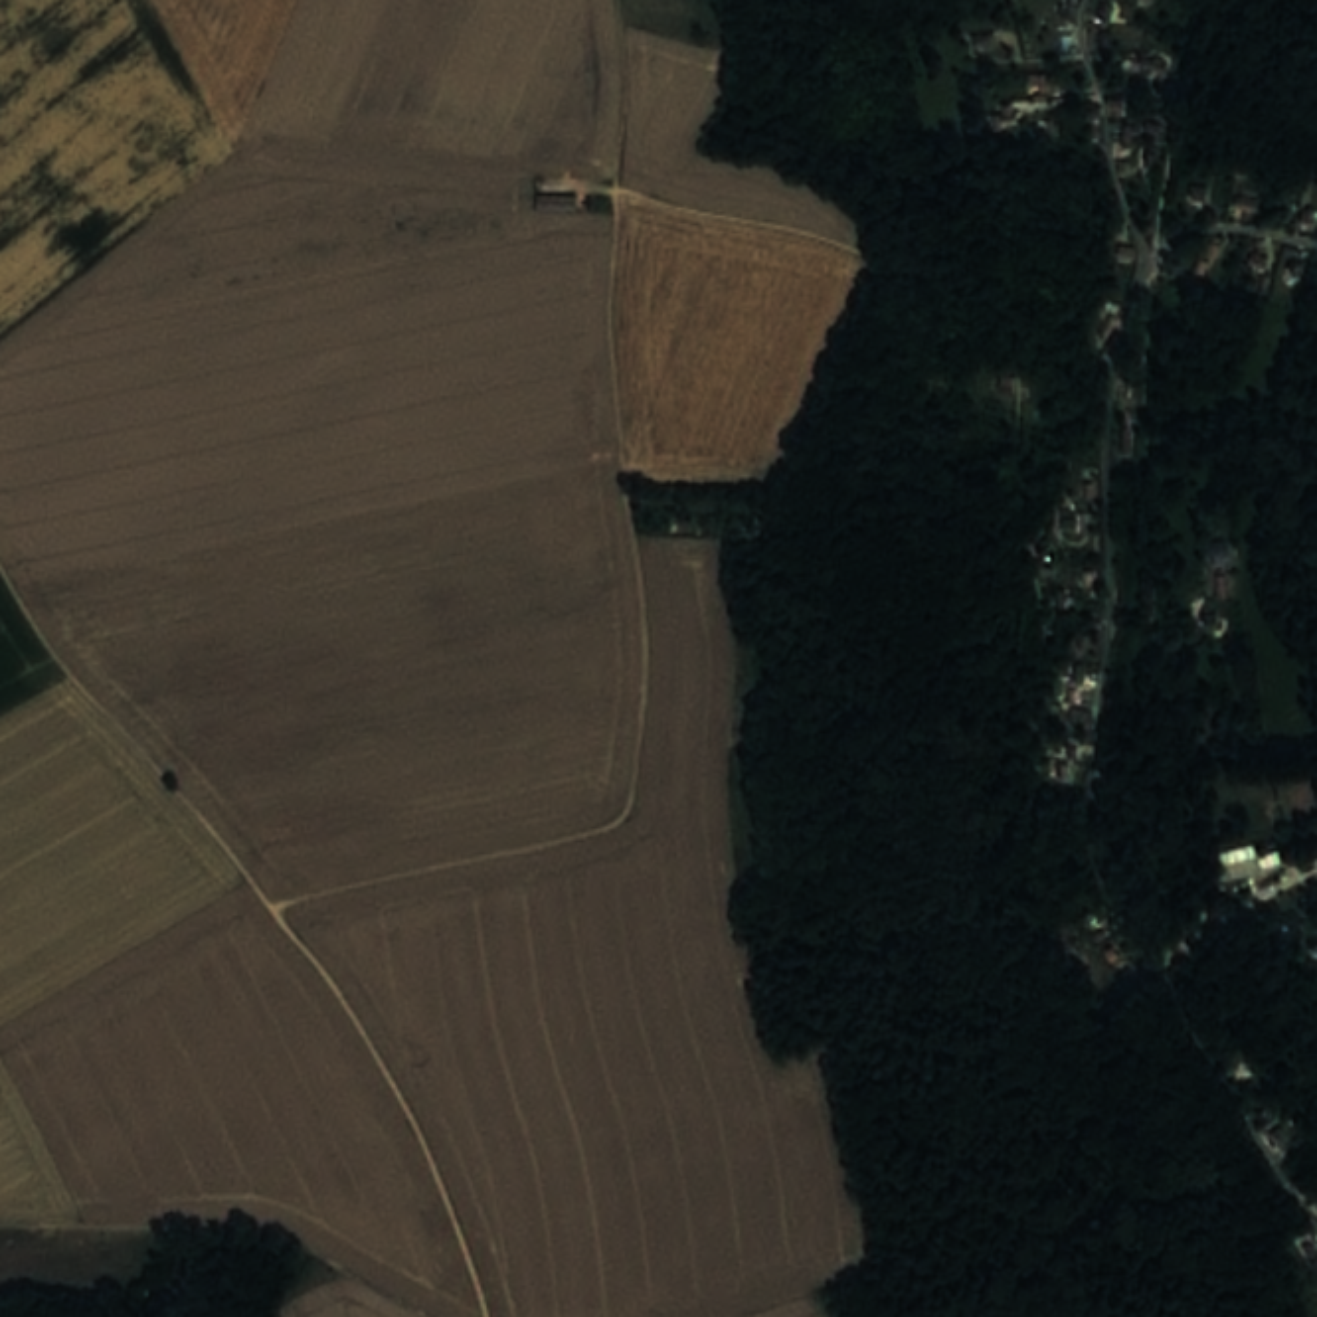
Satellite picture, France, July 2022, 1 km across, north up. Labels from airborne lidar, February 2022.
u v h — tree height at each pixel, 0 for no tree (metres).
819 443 24
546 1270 0
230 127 0
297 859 0
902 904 25
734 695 0
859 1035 22
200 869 0
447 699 0
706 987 0
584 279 0
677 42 0
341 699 0
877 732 29
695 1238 0
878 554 23
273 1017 0
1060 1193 29
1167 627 10
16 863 0
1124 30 0
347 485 0
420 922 0
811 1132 0
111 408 0
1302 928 0
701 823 0
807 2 26
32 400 0
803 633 20
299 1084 0
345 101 0
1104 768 9
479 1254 0
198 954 0
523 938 0
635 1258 0
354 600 0
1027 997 24
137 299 0
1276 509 21
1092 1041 23
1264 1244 26
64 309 0
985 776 10
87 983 0
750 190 0
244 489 0
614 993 0
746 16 23
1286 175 19
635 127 0
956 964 25
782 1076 0
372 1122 0
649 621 0
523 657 0
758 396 0
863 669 26
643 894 0
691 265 0
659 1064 0
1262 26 30
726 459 0
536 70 0
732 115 14
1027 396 0
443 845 0
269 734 0
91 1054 0
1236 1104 19
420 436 0
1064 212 19
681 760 0
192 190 0
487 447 0
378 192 0
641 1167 0
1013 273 9
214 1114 0
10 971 0
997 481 27
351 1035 0
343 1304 0
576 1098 0
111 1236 0
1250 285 11
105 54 0
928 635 19
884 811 31
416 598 0
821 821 30
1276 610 23
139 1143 0
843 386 20
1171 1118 25
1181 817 33
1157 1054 29
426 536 0
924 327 23
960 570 30
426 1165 0
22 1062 0
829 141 21
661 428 0
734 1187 0
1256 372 0
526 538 0
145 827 0
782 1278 0
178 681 0
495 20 0
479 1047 0
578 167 0
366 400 0
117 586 0
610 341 0
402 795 0
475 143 0
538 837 0
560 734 0
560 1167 0
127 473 0
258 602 0
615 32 0
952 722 31
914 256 20
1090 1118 22
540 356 0
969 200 28
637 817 0
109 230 0
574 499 0
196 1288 24
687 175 0
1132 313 11
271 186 0
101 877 0
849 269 0
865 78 19
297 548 0
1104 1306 26
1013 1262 26
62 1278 0
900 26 22
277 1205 0
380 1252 0
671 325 0
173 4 0
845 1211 0
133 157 0
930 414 12
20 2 0
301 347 0
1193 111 25
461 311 0
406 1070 0
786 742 28
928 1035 26
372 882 0
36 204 0
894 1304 22
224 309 0
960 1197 13
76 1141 0
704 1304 0
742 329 0
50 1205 0
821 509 12
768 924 11
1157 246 0
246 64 0
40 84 0
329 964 0
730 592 14
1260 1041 24
